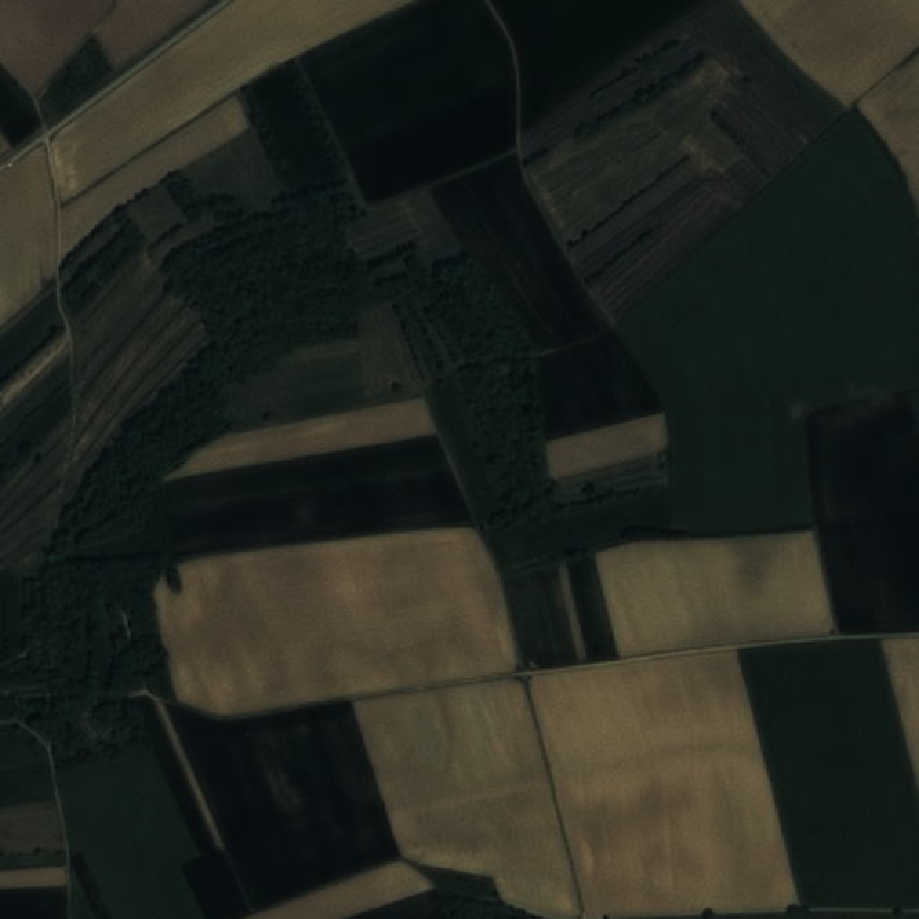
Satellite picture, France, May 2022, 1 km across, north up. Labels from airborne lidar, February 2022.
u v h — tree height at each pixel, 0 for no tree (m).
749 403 0
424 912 0
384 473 0
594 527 0
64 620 13
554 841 0
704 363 0
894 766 0
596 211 0
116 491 8
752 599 0
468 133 0
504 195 0
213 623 0
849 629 0
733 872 0
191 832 0
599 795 0
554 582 0
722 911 0
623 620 0
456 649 0
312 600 0
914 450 0
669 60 0
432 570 0
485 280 13
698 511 0
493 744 0
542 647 0
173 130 0
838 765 0
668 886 0
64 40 0
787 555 0
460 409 0
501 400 11
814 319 0
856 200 0
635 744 0
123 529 13
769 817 0
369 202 0
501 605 0
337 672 0
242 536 0
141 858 0
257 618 0
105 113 0
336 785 0
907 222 0
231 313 11
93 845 0
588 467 0
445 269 13
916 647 0
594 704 0
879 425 0
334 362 0
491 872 0
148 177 0
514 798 0
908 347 0
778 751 0
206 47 0
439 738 0
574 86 0
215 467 0
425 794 0
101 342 0
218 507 0
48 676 7
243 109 0
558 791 0
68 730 9
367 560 0
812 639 0
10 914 0
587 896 0
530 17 0
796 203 0
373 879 0
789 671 0
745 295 0
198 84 0
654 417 0
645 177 0
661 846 0
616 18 0
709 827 0
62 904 0
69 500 0
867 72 0
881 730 0
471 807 0
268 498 0
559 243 0
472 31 0
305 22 0
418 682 0
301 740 0
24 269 0
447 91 0
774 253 0
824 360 0
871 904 0
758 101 0
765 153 0
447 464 0
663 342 0
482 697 0
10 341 0
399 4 0
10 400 0
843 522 0
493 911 10
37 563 0
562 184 0
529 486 5
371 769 0
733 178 0
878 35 0
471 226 0
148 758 0
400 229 0
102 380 0
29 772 0
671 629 0
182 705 0
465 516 0
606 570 0
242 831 0
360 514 0
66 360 0
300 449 0
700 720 0
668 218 0
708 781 0
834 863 0
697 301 0
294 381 0
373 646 0
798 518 0
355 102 0
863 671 0
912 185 0
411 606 0
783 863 0
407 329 8
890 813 0
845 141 0
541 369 0
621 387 0
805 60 0
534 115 0
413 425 0
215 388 9
